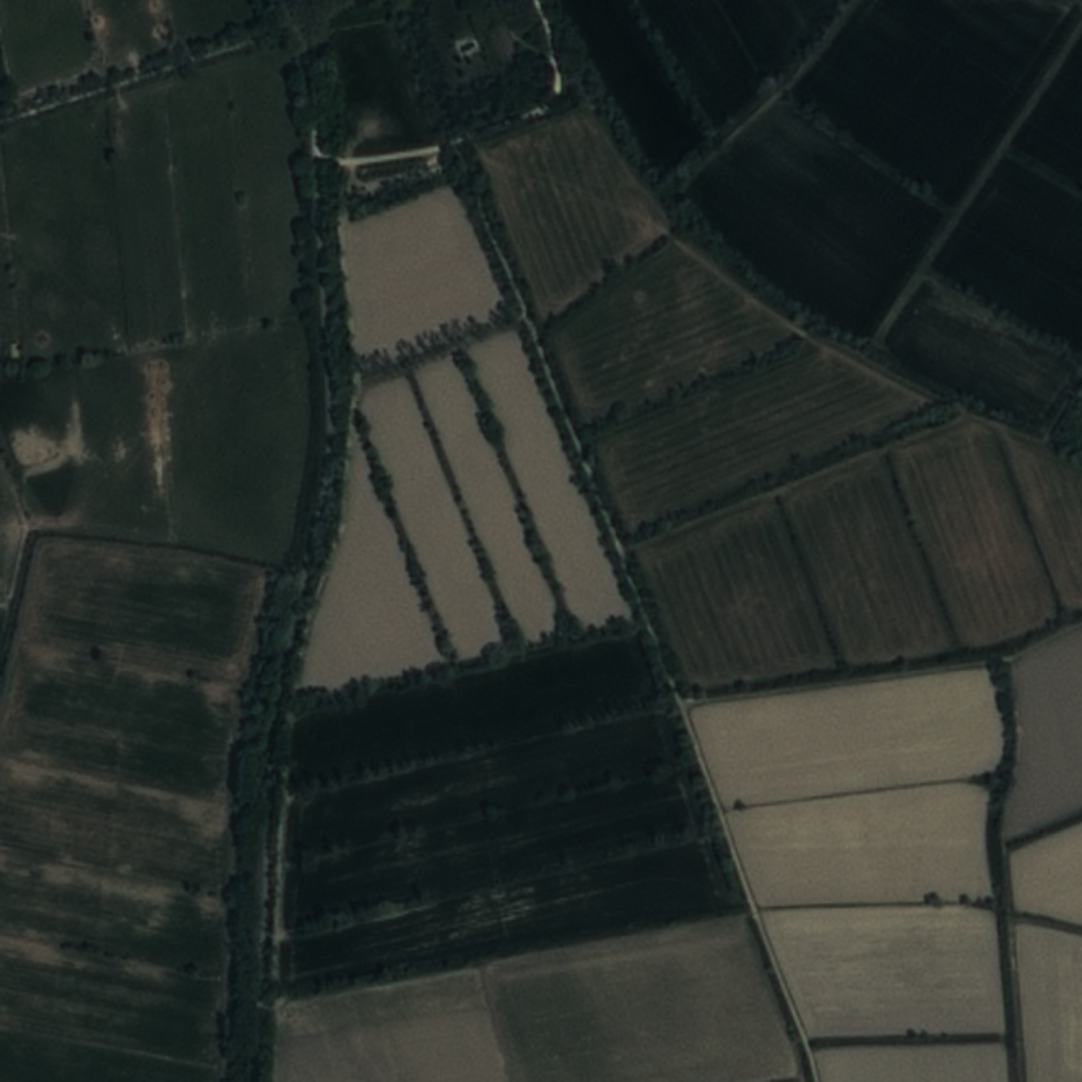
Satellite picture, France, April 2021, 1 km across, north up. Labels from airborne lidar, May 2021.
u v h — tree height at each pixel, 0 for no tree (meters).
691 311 0
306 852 19
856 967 0
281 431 0
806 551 0
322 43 25
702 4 0
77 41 0
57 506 0
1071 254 0
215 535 0
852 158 0
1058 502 0
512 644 17
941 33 0
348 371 16
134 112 0
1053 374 0
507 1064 0
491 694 0
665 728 0
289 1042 0
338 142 22
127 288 0
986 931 0
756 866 0
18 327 0
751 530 0
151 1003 0
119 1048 0
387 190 14
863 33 0
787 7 0
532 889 0
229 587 0
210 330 0
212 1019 0
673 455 0
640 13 6
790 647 0
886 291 0
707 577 0
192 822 0
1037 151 0
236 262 0
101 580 0
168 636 0
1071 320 0
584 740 0
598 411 0
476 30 7
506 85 14
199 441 0
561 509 0
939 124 0
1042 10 0
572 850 0
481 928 0
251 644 0
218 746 0
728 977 0
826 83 0
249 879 12
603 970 0
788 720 0
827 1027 0
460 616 0
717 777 0
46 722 0
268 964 14
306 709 17
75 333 0
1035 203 0
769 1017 0
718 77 0
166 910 0
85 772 0
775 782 0
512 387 0
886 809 0
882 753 0
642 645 10
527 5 8
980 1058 0
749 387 0
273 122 0
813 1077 0
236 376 0
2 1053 0
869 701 0
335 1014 0
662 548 0
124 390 0
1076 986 0
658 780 19
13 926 0
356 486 0
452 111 11
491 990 0
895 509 0
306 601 15
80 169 0
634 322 0
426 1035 0
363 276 0
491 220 11
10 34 0
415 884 0
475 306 0
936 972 0
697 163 13
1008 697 7
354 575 0
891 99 0
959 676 0
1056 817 0
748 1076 0
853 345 6
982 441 0
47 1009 0
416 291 0
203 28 0
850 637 0
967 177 0
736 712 0
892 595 0
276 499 0
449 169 13
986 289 0
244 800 19
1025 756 0
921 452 0
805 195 0
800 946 0
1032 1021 0
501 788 0
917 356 0
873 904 0
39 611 0
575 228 0
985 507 0
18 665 0
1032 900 0
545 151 0
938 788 0
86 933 0
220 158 0
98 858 0
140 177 0
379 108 0
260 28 13
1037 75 0
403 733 0
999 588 0
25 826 0
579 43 17
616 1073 0
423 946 0
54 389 0
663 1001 0
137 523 0
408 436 0
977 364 0
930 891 0
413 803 0
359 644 0
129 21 0
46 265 0
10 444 0
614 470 0
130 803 0
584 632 13
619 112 11
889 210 0
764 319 0
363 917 21
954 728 0
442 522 0
